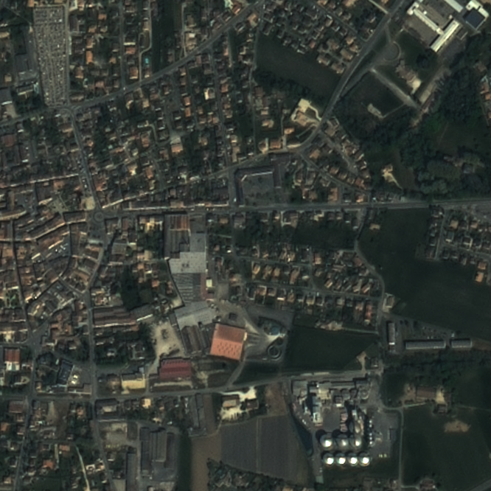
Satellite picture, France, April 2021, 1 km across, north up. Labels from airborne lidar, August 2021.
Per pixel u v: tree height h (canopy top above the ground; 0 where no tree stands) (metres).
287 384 0
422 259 0
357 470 0
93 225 8
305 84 0
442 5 5
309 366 0
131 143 0
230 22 0
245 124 0
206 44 0
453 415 7
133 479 0
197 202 0
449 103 24
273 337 0
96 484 7
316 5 0
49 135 8
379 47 0
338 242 0
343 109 13
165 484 0
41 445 0
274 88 19
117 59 0
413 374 8
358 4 5
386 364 13
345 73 0
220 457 0
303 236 0
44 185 0
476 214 0
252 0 17
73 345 0
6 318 0
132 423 0
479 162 24
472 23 0
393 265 0
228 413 0
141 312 0
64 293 0
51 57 0
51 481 0
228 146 0
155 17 6
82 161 8
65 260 0
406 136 32
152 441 0
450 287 0
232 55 0
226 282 0
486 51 0
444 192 32
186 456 0
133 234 0
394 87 0
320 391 0
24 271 0
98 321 0
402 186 0
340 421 0
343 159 15
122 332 10
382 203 0
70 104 0
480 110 15
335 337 0
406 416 0
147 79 0
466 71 21
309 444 0
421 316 0
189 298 0
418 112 20
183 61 0
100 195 0
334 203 0
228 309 0
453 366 20
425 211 0
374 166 0
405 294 0
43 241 0
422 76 0
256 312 0
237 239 0
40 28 0
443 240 0
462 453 0
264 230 10
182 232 0
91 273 0
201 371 0
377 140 9
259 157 0
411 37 0
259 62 0
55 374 9
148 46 0
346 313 8
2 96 0
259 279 0
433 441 0
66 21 0
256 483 7
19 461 5
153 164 0
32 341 0
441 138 0
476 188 25
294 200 11
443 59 0
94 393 0
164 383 0
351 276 11
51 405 0
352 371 0
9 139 0
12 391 11
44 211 0
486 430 0
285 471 0
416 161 31
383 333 13
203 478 0
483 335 0
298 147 0
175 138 0
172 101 7
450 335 0
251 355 0
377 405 0
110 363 6
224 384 0
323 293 0
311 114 0
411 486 0
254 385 0
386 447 0
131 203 0
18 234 0
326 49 7
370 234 0
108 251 7
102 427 0
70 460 7
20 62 0
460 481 0
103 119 12
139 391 0
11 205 0
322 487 13
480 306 0
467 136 0
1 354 0
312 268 0
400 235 0
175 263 0
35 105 13
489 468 0
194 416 0
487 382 0
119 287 11
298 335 0
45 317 0
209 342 0
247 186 0
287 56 0
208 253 0
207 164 7
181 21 0
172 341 0
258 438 0
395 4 0
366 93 0
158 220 0
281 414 0
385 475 0
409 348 0
